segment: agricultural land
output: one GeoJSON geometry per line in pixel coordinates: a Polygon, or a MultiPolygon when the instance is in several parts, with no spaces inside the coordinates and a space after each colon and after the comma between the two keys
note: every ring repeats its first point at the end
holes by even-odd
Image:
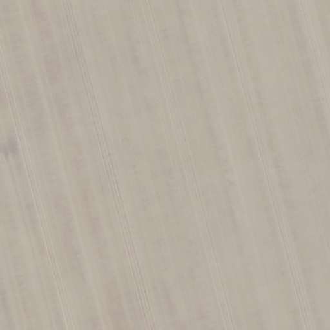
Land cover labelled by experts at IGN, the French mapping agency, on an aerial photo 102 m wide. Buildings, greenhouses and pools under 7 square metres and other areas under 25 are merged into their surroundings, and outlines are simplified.
{"type": "Polygon", "coordinates": [[[330,0],[0,0],[0,330],[330,330],[330,0]]]}

